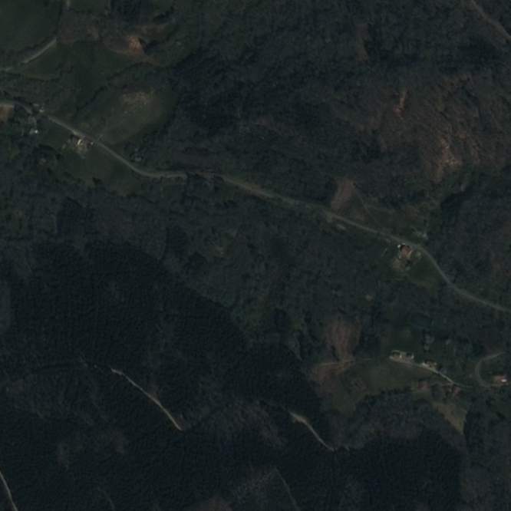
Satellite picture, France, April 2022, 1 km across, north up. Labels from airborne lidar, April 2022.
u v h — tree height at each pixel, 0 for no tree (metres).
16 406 18
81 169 0
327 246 24
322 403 23
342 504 21
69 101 0
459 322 25
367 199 29
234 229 17
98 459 19
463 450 28
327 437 20
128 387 21
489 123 31
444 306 20
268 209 29
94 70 0
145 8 31
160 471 22
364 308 6
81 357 20
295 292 23
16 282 26
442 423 23
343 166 33
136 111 0
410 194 26
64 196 23
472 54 25
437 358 0
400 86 24
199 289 20
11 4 0
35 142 17
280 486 16
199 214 24
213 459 21
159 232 20
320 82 30
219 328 22
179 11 22
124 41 26
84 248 17
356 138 20
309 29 33
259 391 22
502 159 29
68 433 19
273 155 29
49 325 20
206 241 7
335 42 28
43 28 0
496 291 25
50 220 18
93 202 25
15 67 17
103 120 0
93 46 0
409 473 20
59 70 10
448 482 21
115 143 0
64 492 18
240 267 7
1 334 31
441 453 19
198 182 26
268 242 6
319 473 21
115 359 27
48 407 17
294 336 15
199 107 15
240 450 25
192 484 25
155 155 20
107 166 0
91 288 18
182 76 30
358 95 13
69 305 24
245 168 32
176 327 23
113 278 24
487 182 25
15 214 0
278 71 31
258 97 19
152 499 19
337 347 0
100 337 24
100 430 15
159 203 10
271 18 22
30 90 6
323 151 24
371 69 21
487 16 24
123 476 20
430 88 26
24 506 16
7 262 22
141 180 10
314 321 27
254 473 19
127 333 26
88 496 18
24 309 25
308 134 21
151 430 21
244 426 22
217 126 14
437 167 35
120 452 17
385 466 21
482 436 30
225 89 25
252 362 19
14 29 0
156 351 8
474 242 8
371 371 0
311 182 22
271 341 25
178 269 23
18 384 19
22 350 19
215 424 24
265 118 23
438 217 12
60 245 25
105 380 23
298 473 21
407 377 0
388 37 32
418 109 28
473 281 18
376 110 26
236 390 20
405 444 22
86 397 22
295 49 34
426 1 30
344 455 22
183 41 12
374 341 19
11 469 17
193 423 28
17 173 19
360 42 37
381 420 20
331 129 21
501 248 26
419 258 0
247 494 17
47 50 0
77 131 0
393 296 16
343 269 24
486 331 16
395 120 30
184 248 26
